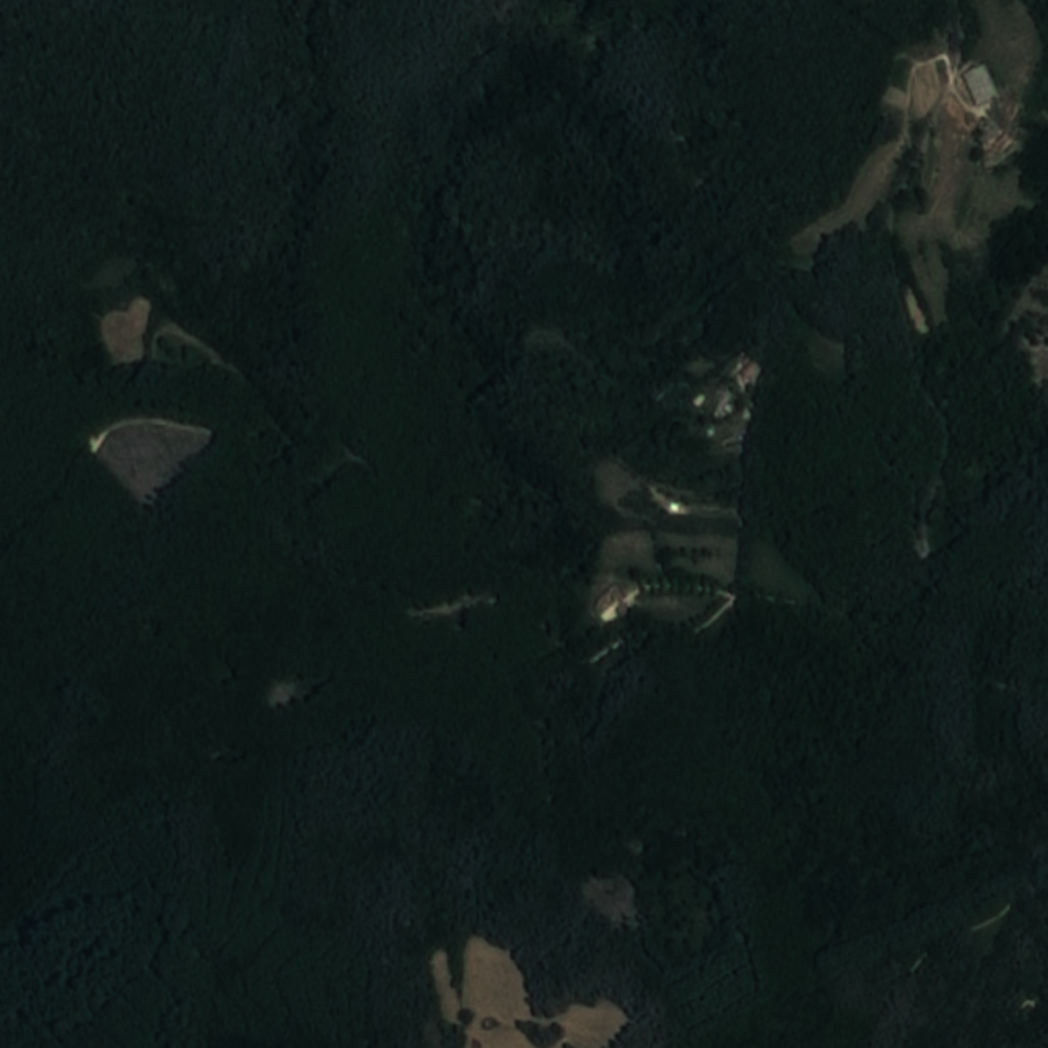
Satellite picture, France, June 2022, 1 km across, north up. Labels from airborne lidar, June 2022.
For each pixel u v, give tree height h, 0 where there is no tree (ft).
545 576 51
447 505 45
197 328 34
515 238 60
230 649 56
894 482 58
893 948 83
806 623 37
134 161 77
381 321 61
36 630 44
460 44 31
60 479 58
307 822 50
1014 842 39
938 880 55
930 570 81
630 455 38
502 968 0
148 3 56
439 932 53
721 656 50
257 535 61
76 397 53
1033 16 24
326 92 76
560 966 54
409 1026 64
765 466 53
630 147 45
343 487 54
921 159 22
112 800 39
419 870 51
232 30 65
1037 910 47
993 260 28
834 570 66
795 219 52
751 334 58
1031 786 33
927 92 0
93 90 69
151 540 66
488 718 59
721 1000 74
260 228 66
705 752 48
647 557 0
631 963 68
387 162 51
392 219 63
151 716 61
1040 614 56
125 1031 62
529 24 55
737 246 57
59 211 65
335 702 64
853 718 76
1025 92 0
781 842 65
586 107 58
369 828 83
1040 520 68
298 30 70
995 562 58
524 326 39
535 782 63
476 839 76
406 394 58
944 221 0
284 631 55
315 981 52
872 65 51
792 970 63
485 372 34
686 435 37
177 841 62
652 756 52
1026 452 73
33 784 19
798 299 73
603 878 50
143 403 66
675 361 23
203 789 55
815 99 55
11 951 43
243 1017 49
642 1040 52
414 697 60
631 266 95
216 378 46
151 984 62
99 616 68
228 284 38
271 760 54
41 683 65
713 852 27
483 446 68
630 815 46
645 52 57
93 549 53
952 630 60
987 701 35
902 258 33
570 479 61
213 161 70
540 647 52
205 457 59
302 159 91
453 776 58
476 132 24
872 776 60
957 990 26
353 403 43
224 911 56
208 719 59
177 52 54
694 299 25
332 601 62
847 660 70
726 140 73
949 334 41
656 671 60
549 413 63
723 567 0
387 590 63
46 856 34
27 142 59
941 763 60
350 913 66
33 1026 101
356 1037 50
